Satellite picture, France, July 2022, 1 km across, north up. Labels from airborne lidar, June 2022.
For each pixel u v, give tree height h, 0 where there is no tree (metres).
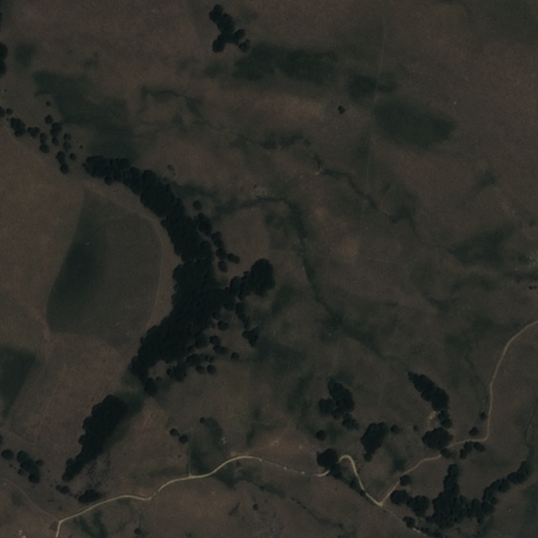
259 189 0
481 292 0
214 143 0
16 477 0
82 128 0
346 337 0
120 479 0
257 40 0
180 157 0
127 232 0
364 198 0
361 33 0
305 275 0
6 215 0
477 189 0
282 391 0
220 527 0
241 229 0
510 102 0
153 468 0
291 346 0
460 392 0
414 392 0
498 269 0
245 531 0
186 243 15
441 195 0
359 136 0
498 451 0
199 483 0
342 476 9
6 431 0
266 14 0
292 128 0
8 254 0
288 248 0
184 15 0
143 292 0
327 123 0
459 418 0
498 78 0
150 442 0
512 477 14
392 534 0
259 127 0
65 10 0
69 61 0
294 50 0
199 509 0
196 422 0
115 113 0
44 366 0
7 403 0
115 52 0
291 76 0
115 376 0
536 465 0
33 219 0
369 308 0
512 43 0
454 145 0
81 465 18
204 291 16
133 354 0
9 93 0
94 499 14
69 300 0
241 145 0
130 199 0
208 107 0
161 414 0
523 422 0
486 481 0
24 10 0
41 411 0
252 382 0
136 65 0
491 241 0
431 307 0
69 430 0
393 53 0
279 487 0
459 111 0
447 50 0
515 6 0
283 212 0
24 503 0
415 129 0
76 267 0
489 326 0
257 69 0
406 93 0
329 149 0
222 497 0
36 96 0
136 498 0
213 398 0
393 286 0
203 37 0
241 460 0
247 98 0
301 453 0
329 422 0
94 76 0
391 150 0
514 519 0
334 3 0
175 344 19
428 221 0
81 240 0
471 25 0
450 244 0
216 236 12
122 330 0
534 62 0
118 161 11
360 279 0
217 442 0
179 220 12
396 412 0
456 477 17
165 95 0
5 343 0
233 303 17
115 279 0
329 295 0
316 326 0
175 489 0
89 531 0
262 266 20
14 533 0
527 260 0
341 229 0
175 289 6
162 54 0
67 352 0
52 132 7
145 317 0
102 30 0
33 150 0
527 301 0
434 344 0
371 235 0
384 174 0
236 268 0
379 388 0
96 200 0
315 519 0
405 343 0
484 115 0
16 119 11
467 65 0
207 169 0
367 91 0
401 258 0
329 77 0
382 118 0
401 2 0
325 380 0
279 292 0
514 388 0
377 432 18
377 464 0
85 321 0
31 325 0
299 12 0
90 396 0
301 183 0
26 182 0
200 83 0
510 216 0
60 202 0
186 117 0
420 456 0
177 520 0
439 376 0
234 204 0
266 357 0
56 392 0
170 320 11
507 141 0
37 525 0
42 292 0
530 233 0
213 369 13
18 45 0
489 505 16
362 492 10
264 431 0
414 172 0
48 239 0
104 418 18
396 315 0
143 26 0
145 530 0
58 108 0
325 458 14
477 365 0
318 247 0
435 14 0
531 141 0
